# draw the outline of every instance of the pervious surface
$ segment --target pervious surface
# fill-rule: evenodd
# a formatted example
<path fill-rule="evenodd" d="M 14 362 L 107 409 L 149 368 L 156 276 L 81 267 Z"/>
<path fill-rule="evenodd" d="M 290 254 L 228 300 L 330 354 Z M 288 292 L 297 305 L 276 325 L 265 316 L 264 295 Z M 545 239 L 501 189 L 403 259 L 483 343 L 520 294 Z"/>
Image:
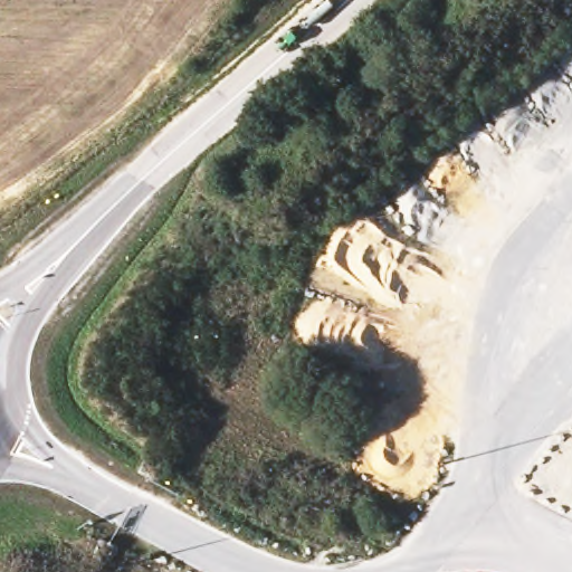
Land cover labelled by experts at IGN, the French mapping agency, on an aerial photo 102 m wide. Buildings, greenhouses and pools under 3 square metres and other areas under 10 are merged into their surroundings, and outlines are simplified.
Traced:
<path fill-rule="evenodd" d="M 150 212 L 145 210 L 141 210 L 132 219 L 132 223 L 125 228 L 121 237 L 125 244 L 134 241 L 134 235 L 141 232 L 150 221 Z"/>
<path fill-rule="evenodd" d="M 13 550 L 0 561 L 0 572 L 201 572 L 165 550 L 145 545 L 134 534 L 121 534 L 121 527 L 89 512 L 87 521 L 80 523 L 83 538 L 74 538 L 72 543 L 27 543 L 27 550 Z"/>
<path fill-rule="evenodd" d="M 74 311 L 76 299 L 85 297 L 83 286 L 101 282 L 112 261 L 130 259 L 130 250 L 118 239 L 96 261 L 96 266 L 67 293 L 67 299 L 56 308 L 54 317 L 65 320 Z"/>
<path fill-rule="evenodd" d="M 456 154 L 440 156 L 429 177 L 416 183 L 411 190 L 407 190 L 393 206 L 375 215 L 371 221 L 360 219 L 353 226 L 337 228 L 326 244 L 326 252 L 320 255 L 315 261 L 313 279 L 304 295 L 304 311 L 299 313 L 295 326 L 299 337 L 308 344 L 306 351 L 315 358 L 315 362 L 326 364 L 331 373 L 337 362 L 344 362 L 346 366 L 366 375 L 371 384 L 371 393 L 375 398 L 375 425 L 371 425 L 369 431 L 375 436 L 375 440 L 369 442 L 364 447 L 364 454 L 355 460 L 353 471 L 358 471 L 362 480 L 373 483 L 378 489 L 389 492 L 393 498 L 411 498 L 425 514 L 425 518 L 416 523 L 413 530 L 404 536 L 395 550 L 364 561 L 369 568 L 380 568 L 402 556 L 413 559 L 454 550 L 454 556 L 442 561 L 442 572 L 572 572 L 572 60 L 559 80 L 541 85 L 523 105 L 503 112 L 503 116 L 498 116 L 496 123 L 489 123 L 474 139 L 463 141 Z"/>

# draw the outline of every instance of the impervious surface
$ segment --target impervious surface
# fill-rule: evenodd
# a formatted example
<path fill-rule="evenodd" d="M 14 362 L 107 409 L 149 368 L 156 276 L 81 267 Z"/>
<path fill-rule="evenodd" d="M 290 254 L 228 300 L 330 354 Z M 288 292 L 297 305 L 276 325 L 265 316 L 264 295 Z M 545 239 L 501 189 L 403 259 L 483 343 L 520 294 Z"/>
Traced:
<path fill-rule="evenodd" d="M 212 87 L 194 105 L 174 116 L 127 165 L 112 174 L 80 206 L 76 206 L 67 217 L 51 226 L 40 239 L 25 244 L 18 257 L 4 268 L 0 268 L 0 485 L 16 483 L 49 489 L 89 512 L 121 527 L 121 534 L 134 534 L 145 545 L 165 550 L 201 572 L 442 572 L 442 561 L 454 556 L 454 550 L 413 559 L 402 556 L 380 568 L 369 568 L 364 561 L 358 559 L 353 565 L 331 565 L 324 552 L 320 552 L 311 563 L 297 563 L 270 554 L 261 547 L 252 547 L 250 543 L 206 521 L 188 516 L 185 512 L 177 509 L 168 498 L 161 498 L 152 492 L 145 492 L 136 485 L 121 480 L 118 476 L 92 463 L 83 451 L 65 445 L 42 420 L 31 389 L 31 355 L 42 328 L 54 317 L 56 308 L 67 299 L 67 293 L 96 266 L 96 261 L 118 239 L 121 237 L 125 228 L 132 223 L 132 219 L 141 210 L 145 210 L 170 179 L 185 170 L 208 145 L 212 145 L 217 139 L 232 130 L 257 83 L 268 80 L 279 72 L 288 69 L 293 65 L 297 58 L 304 56 L 306 49 L 331 45 L 337 40 L 342 36 L 349 31 L 360 11 L 371 9 L 369 0 L 297 0 L 290 7 L 290 11 L 277 22 L 279 29 L 230 76 L 217 83 Z"/>

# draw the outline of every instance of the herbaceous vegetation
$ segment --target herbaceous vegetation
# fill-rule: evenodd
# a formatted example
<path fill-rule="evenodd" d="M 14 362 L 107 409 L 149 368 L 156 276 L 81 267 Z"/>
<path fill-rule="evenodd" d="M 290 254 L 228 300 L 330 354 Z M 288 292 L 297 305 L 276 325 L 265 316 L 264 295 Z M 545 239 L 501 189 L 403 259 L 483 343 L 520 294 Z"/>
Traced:
<path fill-rule="evenodd" d="M 494 16 L 507 16 L 512 0 L 476 0 L 483 11 L 492 11 Z"/>
<path fill-rule="evenodd" d="M 290 11 L 290 7 L 297 0 L 268 0 L 255 18 L 255 40 L 246 45 L 239 56 L 230 58 L 223 67 L 219 67 L 212 74 L 217 83 L 230 76 L 279 29 L 277 22 Z"/>
<path fill-rule="evenodd" d="M 416 4 L 411 0 L 369 0 L 371 9 L 373 18 L 382 22 L 387 31 L 387 40 L 393 42 L 393 49 L 389 51 L 389 65 L 395 74 L 400 67 L 404 67 L 404 60 L 411 58 L 416 65 L 425 65 L 429 56 L 429 34 L 411 22 Z"/>
<path fill-rule="evenodd" d="M 322 63 L 313 72 L 299 72 L 293 65 L 288 69 L 295 76 L 295 80 L 304 87 L 311 127 L 290 127 L 284 141 L 279 141 L 277 145 L 257 147 L 255 152 L 250 147 L 244 147 L 239 143 L 239 134 L 232 130 L 217 139 L 212 145 L 208 145 L 185 170 L 170 179 L 145 210 L 150 212 L 150 221 L 141 232 L 134 235 L 134 241 L 125 244 L 121 237 L 118 239 L 130 250 L 130 259 L 112 261 L 101 282 L 83 286 L 85 297 L 76 299 L 74 311 L 65 320 L 54 317 L 42 328 L 31 355 L 31 389 L 42 420 L 65 445 L 83 451 L 92 463 L 118 476 L 121 480 L 136 485 L 145 492 L 152 492 L 161 498 L 168 498 L 177 509 L 185 512 L 188 516 L 206 521 L 250 543 L 252 547 L 261 547 L 270 554 L 297 563 L 311 563 L 320 552 L 324 552 L 331 565 L 353 565 L 358 559 L 364 561 L 395 550 L 404 536 L 400 532 L 387 532 L 384 514 L 378 512 L 371 503 L 371 496 L 378 489 L 373 483 L 362 480 L 358 471 L 353 471 L 355 460 L 344 460 L 337 451 L 333 451 L 328 458 L 311 454 L 302 447 L 302 440 L 297 436 L 277 427 L 268 416 L 264 416 L 259 407 L 259 378 L 266 369 L 266 362 L 279 349 L 288 349 L 299 337 L 295 326 L 279 337 L 266 335 L 257 320 L 257 311 L 270 304 L 273 290 L 255 295 L 252 288 L 248 288 L 248 353 L 244 362 L 235 369 L 230 389 L 221 380 L 210 387 L 208 380 L 197 378 L 192 369 L 181 366 L 181 353 L 177 351 L 177 337 L 183 333 L 183 328 L 192 326 L 194 297 L 210 293 L 212 288 L 208 266 L 190 266 L 194 273 L 183 282 L 179 299 L 174 304 L 168 304 L 156 317 L 163 331 L 161 344 L 150 342 L 145 351 L 145 369 L 154 371 L 163 380 L 163 387 L 172 393 L 172 402 L 165 409 L 172 413 L 179 427 L 179 454 L 170 469 L 179 471 L 181 476 L 174 480 L 156 480 L 152 467 L 147 465 L 145 438 L 136 436 L 130 429 L 127 420 L 116 411 L 116 404 L 98 400 L 94 393 L 89 393 L 89 389 L 83 382 L 83 373 L 89 349 L 98 340 L 101 324 L 107 320 L 109 313 L 116 313 L 130 299 L 136 279 L 143 273 L 143 266 L 159 255 L 163 246 L 177 246 L 181 221 L 192 221 L 197 210 L 215 208 L 219 212 L 226 212 L 230 217 L 232 232 L 252 230 L 250 241 L 259 246 L 286 244 L 286 217 L 279 210 L 277 192 L 261 185 L 261 165 L 270 161 L 279 163 L 279 181 L 286 185 L 293 181 L 308 181 L 311 170 L 317 168 L 322 152 L 326 150 L 326 143 L 331 141 L 333 145 L 342 145 L 342 139 L 351 134 L 351 121 L 342 118 L 335 107 L 340 92 L 349 89 L 355 107 L 362 109 L 382 103 L 382 92 L 364 85 L 362 80 L 360 51 L 342 36 L 337 40 L 346 49 L 344 67 L 335 67 L 328 54 L 322 56 Z M 221 170 L 219 179 L 226 188 L 226 197 L 206 190 L 206 172 L 215 168 Z M 342 509 L 351 509 L 355 514 L 360 527 L 360 534 L 355 538 L 349 538 L 346 534 L 337 532 L 337 514 Z"/>
<path fill-rule="evenodd" d="M 49 489 L 16 483 L 0 485 L 0 561 L 13 550 L 27 550 L 27 543 L 72 543 L 74 538 L 83 538 L 80 523 L 87 521 L 89 512 Z"/>
<path fill-rule="evenodd" d="M 87 145 L 85 152 L 80 152 L 80 159 L 72 165 L 67 174 L 63 174 L 51 185 L 29 188 L 27 192 L 22 192 L 16 206 L 0 208 L 0 268 L 4 268 L 18 257 L 25 244 L 40 239 L 51 226 L 67 217 L 76 206 L 80 206 L 112 174 L 127 165 L 174 116 L 194 105 L 212 87 L 210 83 L 206 83 L 192 92 L 177 74 L 170 78 L 168 85 L 152 83 L 147 92 L 132 105 L 125 118 L 109 130 L 109 134 L 101 134 L 96 141 Z"/>

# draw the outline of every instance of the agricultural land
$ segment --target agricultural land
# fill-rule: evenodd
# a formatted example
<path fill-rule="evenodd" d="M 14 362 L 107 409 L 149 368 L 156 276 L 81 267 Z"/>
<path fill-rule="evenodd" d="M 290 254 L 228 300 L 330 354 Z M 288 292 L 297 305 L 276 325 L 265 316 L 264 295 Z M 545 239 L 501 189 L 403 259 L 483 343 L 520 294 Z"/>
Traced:
<path fill-rule="evenodd" d="M 210 42 L 210 29 L 217 22 L 239 13 L 235 0 L 0 0 L 0 208 L 16 206 L 22 192 L 27 192 L 29 188 L 51 185 L 63 174 L 67 174 L 72 165 L 80 159 L 80 152 L 85 152 L 87 145 L 96 141 L 101 134 L 109 134 L 109 130 L 125 118 L 132 105 L 147 92 L 152 83 L 168 85 L 170 78 L 177 74 L 179 67 L 183 67 L 190 58 L 199 56 L 201 49 Z"/>

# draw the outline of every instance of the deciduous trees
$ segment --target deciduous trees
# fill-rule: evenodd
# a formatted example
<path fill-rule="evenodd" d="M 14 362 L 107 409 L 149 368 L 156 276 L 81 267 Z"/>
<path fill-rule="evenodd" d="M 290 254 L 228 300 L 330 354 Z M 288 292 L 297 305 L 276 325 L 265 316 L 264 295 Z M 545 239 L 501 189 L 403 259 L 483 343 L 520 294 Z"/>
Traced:
<path fill-rule="evenodd" d="M 257 147 L 277 145 L 279 141 L 284 141 L 290 127 L 311 127 L 304 87 L 295 80 L 295 76 L 288 69 L 279 72 L 268 80 L 257 83 L 232 130 L 239 134 L 239 143 L 244 147 L 250 147 L 255 152 Z"/>
<path fill-rule="evenodd" d="M 355 460 L 364 454 L 364 447 L 369 442 L 375 440 L 375 436 L 369 431 L 371 425 L 375 425 L 375 398 L 371 393 L 371 384 L 366 375 L 346 366 L 344 362 L 337 362 L 331 373 L 326 364 L 315 362 L 315 358 L 306 351 L 308 344 L 299 337 L 288 349 L 279 349 L 266 362 L 266 369 L 259 378 L 259 407 L 264 416 L 268 416 L 277 427 L 297 436 L 302 440 L 302 447 L 311 454 L 328 458 L 333 451 L 337 451 L 344 460 Z"/>

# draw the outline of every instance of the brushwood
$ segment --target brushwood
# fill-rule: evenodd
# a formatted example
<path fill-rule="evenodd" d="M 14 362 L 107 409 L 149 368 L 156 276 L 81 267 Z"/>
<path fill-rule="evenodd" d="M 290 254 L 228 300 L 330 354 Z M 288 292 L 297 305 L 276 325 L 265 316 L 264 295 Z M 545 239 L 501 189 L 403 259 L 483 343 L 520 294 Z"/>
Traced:
<path fill-rule="evenodd" d="M 360 527 L 355 514 L 351 509 L 342 509 L 337 514 L 337 532 L 346 534 L 349 538 L 355 538 L 360 534 Z"/>
<path fill-rule="evenodd" d="M 226 197 L 226 188 L 219 179 L 221 170 L 215 168 L 206 172 L 206 190 Z"/>
<path fill-rule="evenodd" d="M 130 299 L 116 313 L 109 313 L 107 320 L 101 324 L 98 340 L 89 349 L 83 373 L 83 382 L 89 389 L 89 393 L 94 393 L 98 400 L 116 404 L 116 411 L 127 420 L 130 429 L 136 436 L 145 438 L 147 465 L 152 467 L 156 480 L 174 480 L 181 476 L 179 471 L 170 469 L 179 454 L 179 427 L 172 413 L 165 409 L 172 402 L 172 393 L 163 387 L 163 380 L 154 371 L 145 369 L 145 351 L 150 342 L 161 344 L 163 331 L 156 317 L 168 304 L 174 304 L 179 299 L 183 282 L 194 273 L 190 266 L 208 266 L 212 288 L 210 293 L 194 297 L 192 326 L 183 328 L 183 333 L 177 337 L 177 351 L 181 353 L 181 366 L 192 369 L 197 378 L 208 380 L 210 387 L 221 380 L 230 389 L 235 369 L 244 362 L 248 353 L 248 288 L 252 288 L 255 295 L 273 290 L 270 304 L 257 311 L 257 320 L 266 335 L 279 337 L 295 326 L 299 313 L 304 311 L 304 295 L 313 279 L 315 261 L 320 255 L 326 252 L 326 244 L 337 228 L 353 226 L 360 219 L 371 221 L 375 215 L 393 206 L 407 190 L 411 190 L 416 183 L 429 177 L 440 156 L 456 154 L 463 141 L 474 139 L 489 123 L 496 123 L 498 116 L 503 116 L 503 112 L 523 105 L 541 85 L 559 80 L 572 60 L 572 0 L 512 0 L 507 16 L 494 16 L 492 11 L 483 11 L 476 0 L 411 0 L 416 4 L 411 22 L 429 34 L 429 56 L 425 65 L 416 65 L 411 58 L 404 60 L 404 67 L 400 67 L 395 74 L 389 65 L 389 51 L 393 49 L 393 42 L 387 40 L 387 31 L 382 22 L 373 18 L 371 9 L 360 11 L 349 31 L 342 36 L 360 51 L 362 80 L 364 85 L 382 92 L 382 103 L 362 109 L 355 107 L 349 89 L 340 92 L 335 107 L 342 118 L 351 121 L 351 134 L 342 139 L 342 145 L 333 145 L 331 141 L 326 143 L 326 150 L 322 152 L 317 168 L 311 170 L 308 181 L 293 181 L 286 185 L 279 181 L 279 163 L 270 161 L 261 165 L 261 185 L 277 192 L 279 210 L 286 217 L 286 244 L 259 246 L 250 241 L 252 230 L 232 232 L 230 217 L 226 212 L 219 212 L 215 208 L 197 210 L 192 221 L 181 221 L 177 246 L 163 246 L 159 255 L 143 266 L 143 273 L 136 279 Z"/>
<path fill-rule="evenodd" d="M 235 0 L 239 13 L 217 22 L 210 29 L 210 42 L 201 49 L 199 56 L 190 58 L 183 67 L 179 67 L 177 74 L 192 92 L 206 83 L 210 83 L 212 87 L 217 83 L 212 74 L 219 67 L 223 67 L 230 58 L 239 56 L 246 45 L 255 40 L 255 18 L 268 0 Z"/>
<path fill-rule="evenodd" d="M 337 40 L 331 45 L 306 49 L 304 56 L 297 58 L 293 65 L 299 72 L 313 72 L 322 63 L 322 56 L 328 54 L 335 67 L 344 67 L 346 49 Z"/>
<path fill-rule="evenodd" d="M 393 498 L 389 492 L 378 489 L 371 496 L 371 503 L 378 512 L 384 514 L 387 532 L 400 532 L 404 536 L 413 530 L 416 523 L 425 518 L 425 514 L 411 498 Z"/>

